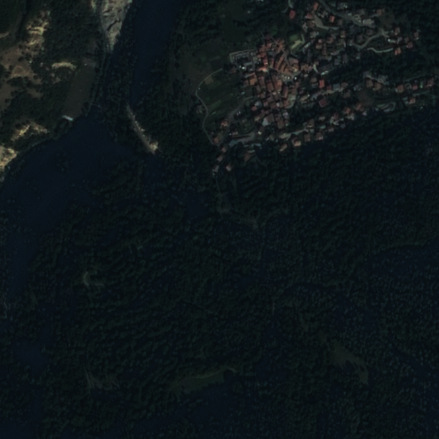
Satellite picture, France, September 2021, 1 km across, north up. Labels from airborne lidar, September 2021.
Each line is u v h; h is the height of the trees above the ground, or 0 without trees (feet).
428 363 102
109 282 57
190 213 67
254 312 56
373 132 60
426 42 29
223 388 0
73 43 52
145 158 0
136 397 82
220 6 17
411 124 43
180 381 0
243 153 38
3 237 49
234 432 110
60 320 59
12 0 41
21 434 58
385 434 65
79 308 109
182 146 36
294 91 0
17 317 61
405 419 65
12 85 35
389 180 73
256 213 43
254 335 46
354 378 69
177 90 31
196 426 111
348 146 62
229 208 0
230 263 82
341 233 57
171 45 46
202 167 59
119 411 69
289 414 99
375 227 93
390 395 59
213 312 70
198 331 34
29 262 62
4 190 51
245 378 43
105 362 60
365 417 47
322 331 46
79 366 39
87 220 86
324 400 96
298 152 0
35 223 41
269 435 81
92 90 31
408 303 103
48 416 57
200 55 0
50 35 44
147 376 64
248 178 59
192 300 56
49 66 21
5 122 23
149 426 56
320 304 56
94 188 73
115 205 45
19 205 59
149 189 91
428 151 91
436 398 57
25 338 31
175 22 70
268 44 0
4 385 93
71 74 27
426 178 101
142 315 66
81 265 54
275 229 39
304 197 57
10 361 63
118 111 59
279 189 59
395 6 44
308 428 104
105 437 49
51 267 54
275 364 72
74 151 37
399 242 63
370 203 76
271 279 38
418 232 87
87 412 62
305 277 70
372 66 30
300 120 33
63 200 46
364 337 78
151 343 54
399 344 57
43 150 37
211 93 0
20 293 49
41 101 28
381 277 87
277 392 95
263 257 41
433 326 79
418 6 51
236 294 117
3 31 49
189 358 39
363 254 74
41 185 66
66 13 45
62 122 28
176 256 79
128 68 49
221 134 0
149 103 55
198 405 38
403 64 57
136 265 29
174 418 65
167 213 76
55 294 57
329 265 57
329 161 66
